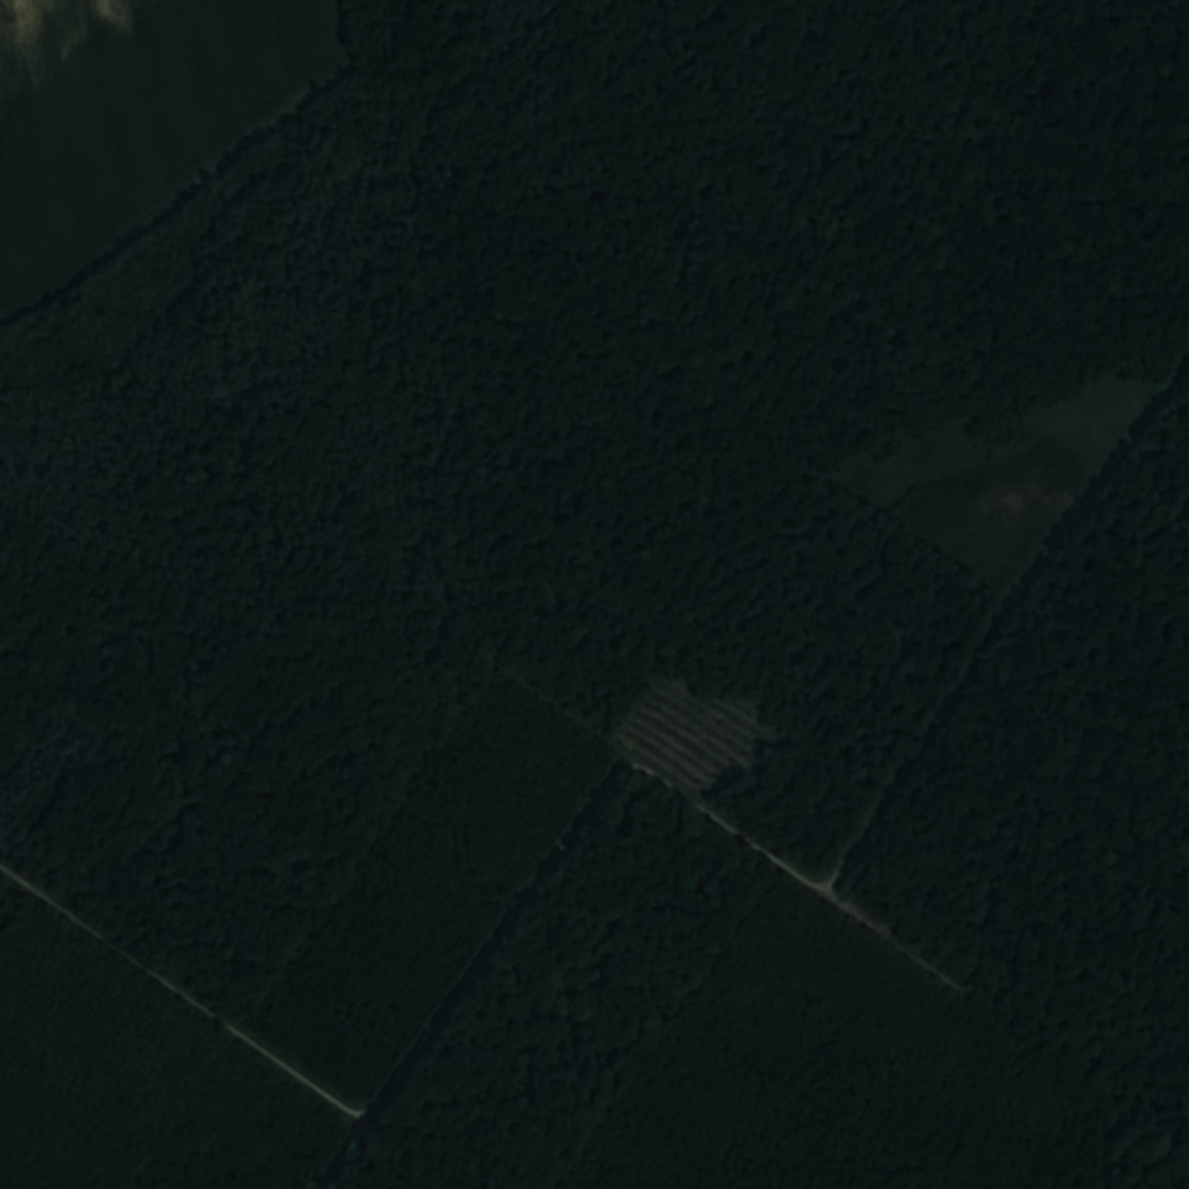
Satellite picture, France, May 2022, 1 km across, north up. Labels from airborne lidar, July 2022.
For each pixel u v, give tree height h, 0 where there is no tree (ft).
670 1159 55
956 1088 50
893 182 63
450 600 75
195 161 0
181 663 76
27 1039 50
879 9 72
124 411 85
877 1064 53
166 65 0
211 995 73
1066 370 64
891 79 76
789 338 78
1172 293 74
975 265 91
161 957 73
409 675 62
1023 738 87
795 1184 68
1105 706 78
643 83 86
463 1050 76
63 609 89
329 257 47
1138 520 91
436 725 95
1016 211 87
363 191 54
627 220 81
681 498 25
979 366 61
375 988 33
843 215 80
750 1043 49
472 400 82
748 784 66
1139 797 83
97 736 67
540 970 91
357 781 99
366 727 86
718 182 71
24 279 0
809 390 66
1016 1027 83
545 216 75
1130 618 81
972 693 84
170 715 91
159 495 85
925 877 68
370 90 63
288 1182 35
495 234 85
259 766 104
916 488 18
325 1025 36
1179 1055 87
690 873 69
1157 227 85
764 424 54
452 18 58
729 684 61
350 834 91
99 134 0
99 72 0
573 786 29
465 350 80
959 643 80
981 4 82
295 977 30
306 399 85
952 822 85
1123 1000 78
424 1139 92
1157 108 92
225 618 79
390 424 66
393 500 65
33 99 0
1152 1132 81
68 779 92
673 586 64
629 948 75
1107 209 83
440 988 28
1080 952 94
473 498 74
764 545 67
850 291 77
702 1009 55
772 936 40
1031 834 81
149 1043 48
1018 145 84
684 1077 52
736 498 56
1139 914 93
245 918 73
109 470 84
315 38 0
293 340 78
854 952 49
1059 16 91
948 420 56
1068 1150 67
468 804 36
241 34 0
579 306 73
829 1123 65
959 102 72
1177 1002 79
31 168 0
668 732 18
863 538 84
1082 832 94
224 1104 36
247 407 80
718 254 88
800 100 77
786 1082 67
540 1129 70
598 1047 54
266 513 58
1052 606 88
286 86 0
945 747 88
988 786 90
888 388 66
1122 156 99
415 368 82
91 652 77
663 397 81
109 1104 49
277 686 84
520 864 24
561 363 87
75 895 67
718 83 93
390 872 26
